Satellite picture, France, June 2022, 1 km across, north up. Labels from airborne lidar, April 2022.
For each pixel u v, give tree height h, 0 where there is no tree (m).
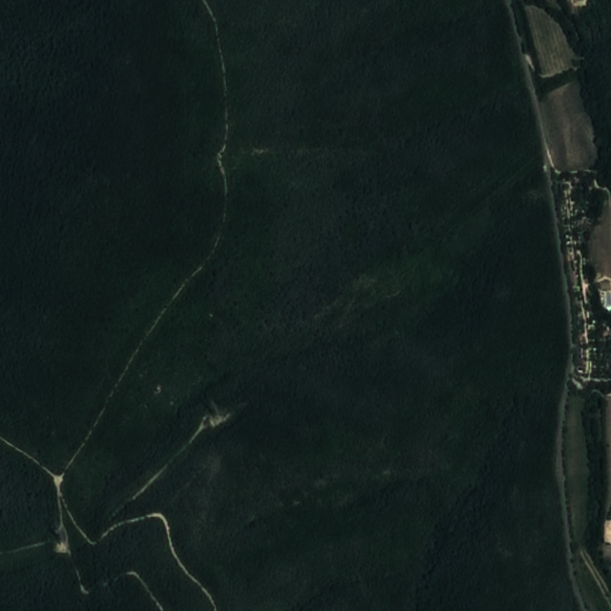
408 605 11
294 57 7
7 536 9
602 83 15
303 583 9
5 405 8
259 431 7
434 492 7
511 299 6
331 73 7
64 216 6
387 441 9
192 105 10
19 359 6
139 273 6
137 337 9
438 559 13
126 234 9
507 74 9
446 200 8
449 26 9
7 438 6
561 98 0
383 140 9
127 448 8
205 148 9
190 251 8
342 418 8
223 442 8
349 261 7
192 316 8
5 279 7
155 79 8
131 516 7
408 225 8
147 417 8
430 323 10
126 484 7
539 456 7
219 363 6
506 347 8
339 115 7
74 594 9
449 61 5
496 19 7
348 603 7
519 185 11
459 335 7
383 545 8
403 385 8
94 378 6
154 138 6
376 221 15
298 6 8
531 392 8
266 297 9
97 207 8
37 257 10
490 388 8
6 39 11
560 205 10
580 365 8
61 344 7
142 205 10
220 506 6
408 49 11
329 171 8
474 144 6
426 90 8
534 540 6
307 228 7
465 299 7
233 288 6
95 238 9
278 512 8
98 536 10
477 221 8
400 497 7
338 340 10
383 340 8
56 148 8
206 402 8
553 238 7
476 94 8
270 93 6
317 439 5
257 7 7
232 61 6
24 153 7
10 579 8
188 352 8
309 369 9
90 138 7
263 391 11
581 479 0
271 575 6
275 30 7
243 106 8
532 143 8
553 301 7
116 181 7
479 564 7
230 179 9
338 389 6
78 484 6
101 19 9
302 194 6
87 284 7
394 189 6
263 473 7
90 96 7
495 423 11
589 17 9
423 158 7
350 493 6
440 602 8
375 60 8
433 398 6
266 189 11
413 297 7
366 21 7
